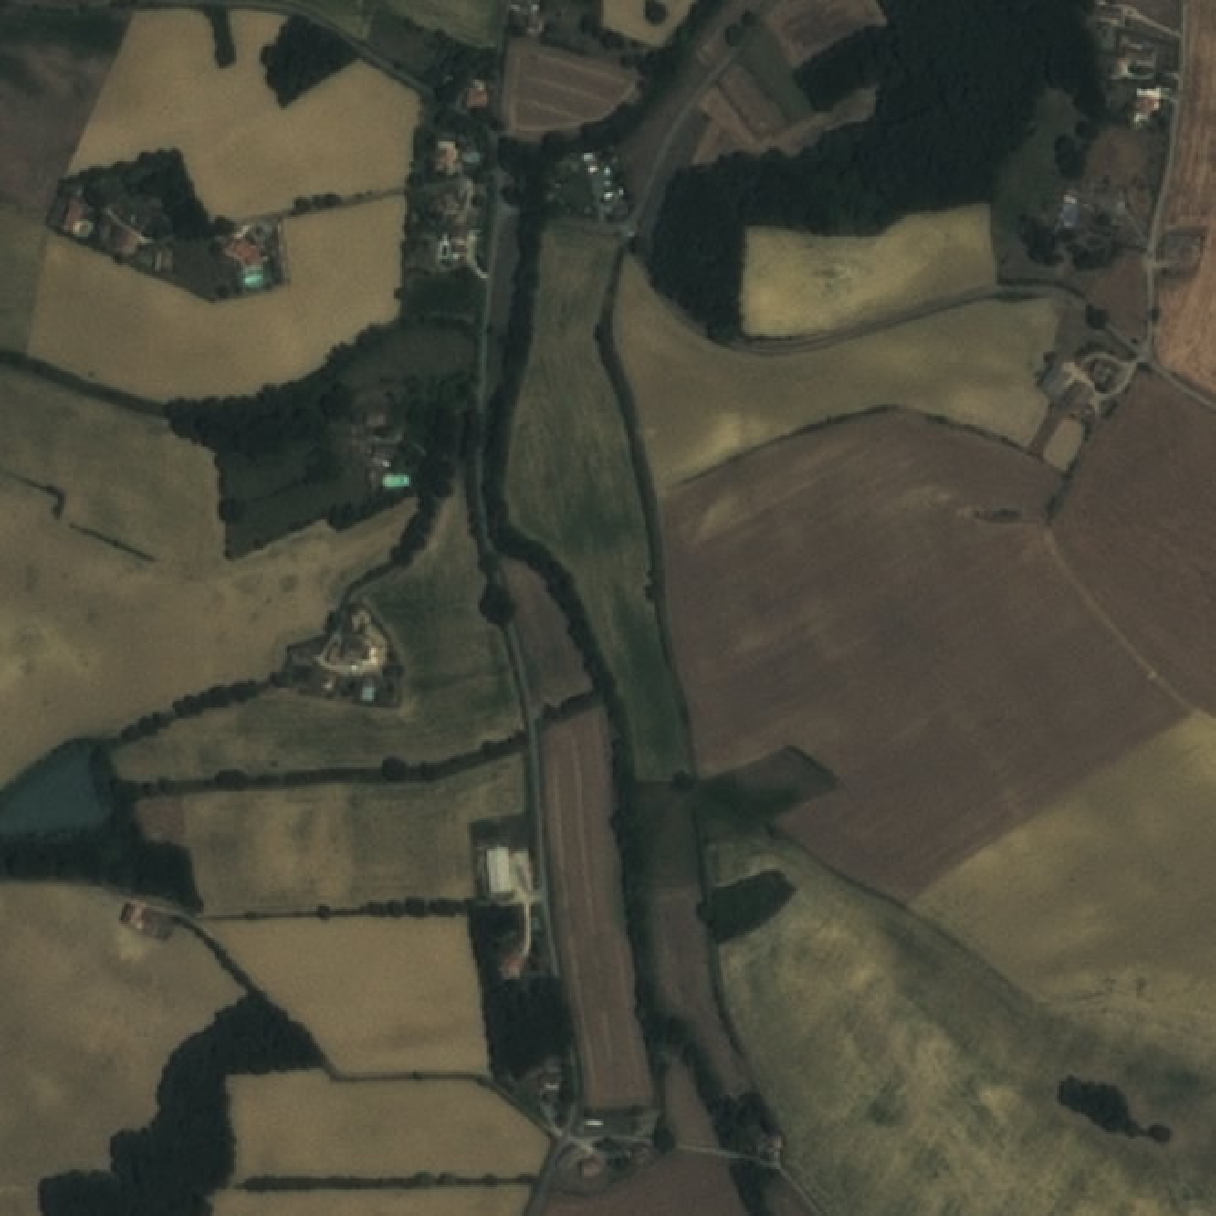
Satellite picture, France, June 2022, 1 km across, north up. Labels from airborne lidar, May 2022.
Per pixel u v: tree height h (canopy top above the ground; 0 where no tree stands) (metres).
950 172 20
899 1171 0
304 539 0
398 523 0
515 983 16
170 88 0
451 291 0
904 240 0
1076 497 0
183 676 0
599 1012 0
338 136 0
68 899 0
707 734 0
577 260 0
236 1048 19
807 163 11
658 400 0
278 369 0
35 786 0
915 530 0
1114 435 0
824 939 0
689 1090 0
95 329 0
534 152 17
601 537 0
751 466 0
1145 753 0
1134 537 0
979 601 0
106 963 0
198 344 0
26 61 0
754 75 0
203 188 0
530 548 15
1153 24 0
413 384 14
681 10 0
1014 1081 0
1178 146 0
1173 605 0
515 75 0
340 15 0
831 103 14
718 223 15
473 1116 0
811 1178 0
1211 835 0
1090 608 0
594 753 0
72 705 0
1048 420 0
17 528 0
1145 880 0
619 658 0
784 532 0
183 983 0
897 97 13
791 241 0
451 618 0
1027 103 19
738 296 10
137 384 0
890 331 0
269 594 0
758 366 0
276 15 0
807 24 0
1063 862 0
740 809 0
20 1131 0
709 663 0
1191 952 0
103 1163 0
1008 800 0
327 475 9
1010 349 0
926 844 0
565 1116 9
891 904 0
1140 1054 0
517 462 0
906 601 0
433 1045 0
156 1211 25
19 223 0
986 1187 0
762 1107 13
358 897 0
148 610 0
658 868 0
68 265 0
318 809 0
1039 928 0
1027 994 0
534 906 0
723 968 0
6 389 0
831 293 0
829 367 0
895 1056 0
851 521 0
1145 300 0
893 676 0
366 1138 0
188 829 0
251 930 0
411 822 0
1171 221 0
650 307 0
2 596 0
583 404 0
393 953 0
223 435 16
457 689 0
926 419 0
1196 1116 0
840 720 0
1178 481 0
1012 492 0
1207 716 0
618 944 0
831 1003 0
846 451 0
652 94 19
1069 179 7
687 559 0
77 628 0
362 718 0
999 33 16
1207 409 0
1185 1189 0
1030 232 10
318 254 0
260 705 0
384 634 0
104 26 0
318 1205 0
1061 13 22
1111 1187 0
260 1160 0
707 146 0
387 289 0
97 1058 0
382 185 0
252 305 0
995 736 0
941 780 0
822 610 0
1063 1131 0
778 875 8
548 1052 19
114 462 0
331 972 0
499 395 11
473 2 0
